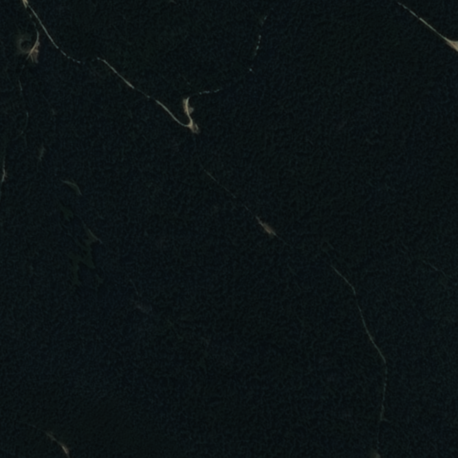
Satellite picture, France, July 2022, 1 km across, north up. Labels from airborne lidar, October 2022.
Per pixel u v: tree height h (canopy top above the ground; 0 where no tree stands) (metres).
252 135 19
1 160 13
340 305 16
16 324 25
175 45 7
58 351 31
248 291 17
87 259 0
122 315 8
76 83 22
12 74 13
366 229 17
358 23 13
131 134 8
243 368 31
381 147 16
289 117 18
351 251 22
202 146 25
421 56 20
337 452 18
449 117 22
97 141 21
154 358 20
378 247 16
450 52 22
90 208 12
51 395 19
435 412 6
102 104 34
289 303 17
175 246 16
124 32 16
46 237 29
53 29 14
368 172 27
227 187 14
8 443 16
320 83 16
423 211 19
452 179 20
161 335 8
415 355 28
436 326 20
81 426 12
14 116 12
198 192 9
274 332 19
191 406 11
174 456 18
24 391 24
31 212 17
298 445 20
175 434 15
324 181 16
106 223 17
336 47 14
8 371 21
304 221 19
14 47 8
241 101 26
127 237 18
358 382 14
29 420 16
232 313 10
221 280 29
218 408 14
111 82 10
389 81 20
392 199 17
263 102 26
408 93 14
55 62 25
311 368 20
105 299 26
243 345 13
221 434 22
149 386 9
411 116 17
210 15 9
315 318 27
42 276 26
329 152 16
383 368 15
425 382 20
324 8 21
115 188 15
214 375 16
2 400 19
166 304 11
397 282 16
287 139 15
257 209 16
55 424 14
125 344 23
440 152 17
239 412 21
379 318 22
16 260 10
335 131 22
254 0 24
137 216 23
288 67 30
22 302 23
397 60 18
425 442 17
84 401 18
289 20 20
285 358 10
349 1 18
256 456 13
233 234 27
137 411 24
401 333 23
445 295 17
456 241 17
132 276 22
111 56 6
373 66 12
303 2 15
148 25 15
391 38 16
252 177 22
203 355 16
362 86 16
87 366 20
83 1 17
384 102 21
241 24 23
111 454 20
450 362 22
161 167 24
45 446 18
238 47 14
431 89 28
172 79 19
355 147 21
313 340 11
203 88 7
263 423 15
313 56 18
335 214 29
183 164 16
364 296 15
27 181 24
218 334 11
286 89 32
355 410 14
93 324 18
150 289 28
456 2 24
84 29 17
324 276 15
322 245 16
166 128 25
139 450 17
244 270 23
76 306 29
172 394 18
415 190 14
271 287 16
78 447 17
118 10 15
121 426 15
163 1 9
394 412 19
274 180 20
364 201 12
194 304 25
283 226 19
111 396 17
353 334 21
